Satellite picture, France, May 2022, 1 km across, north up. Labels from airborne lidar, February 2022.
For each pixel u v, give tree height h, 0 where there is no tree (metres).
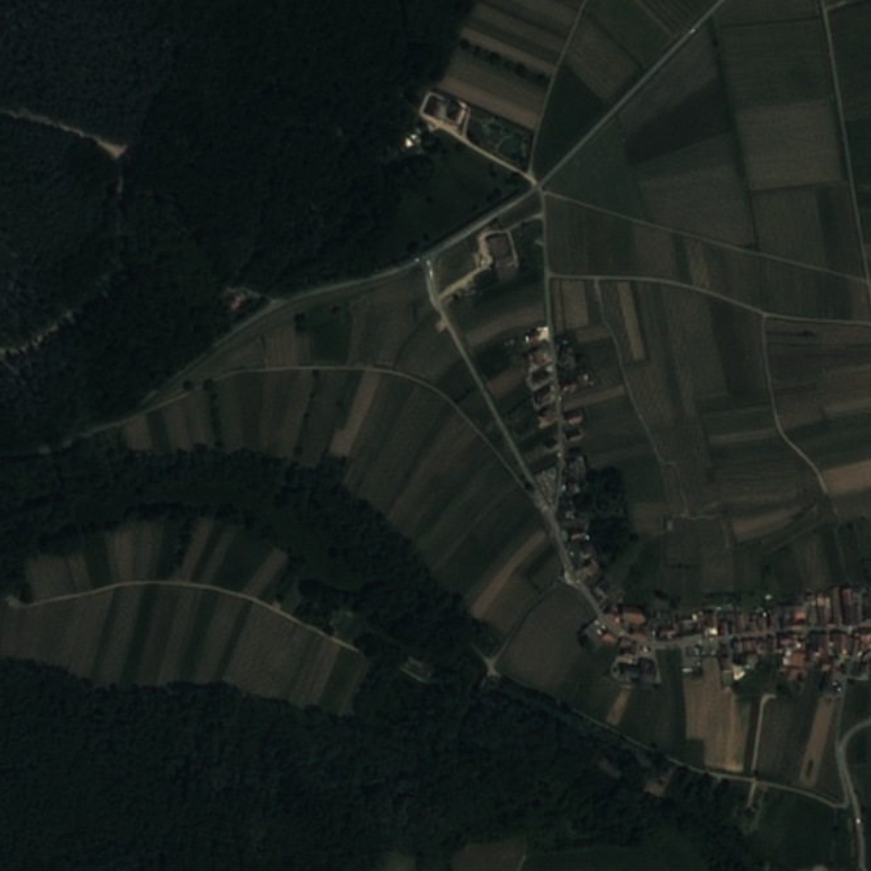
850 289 0
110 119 21
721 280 0
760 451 0
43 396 20
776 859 0
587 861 0
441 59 17
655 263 0
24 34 28
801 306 0
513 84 0
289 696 0
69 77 22
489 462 0
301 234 14
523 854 0
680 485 0
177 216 30
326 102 28
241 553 0
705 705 0
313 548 0
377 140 27
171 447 0
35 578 0
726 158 0
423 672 0
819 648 0
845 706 0
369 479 0
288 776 29
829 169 0
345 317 0
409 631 35
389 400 0
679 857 0
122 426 0
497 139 0
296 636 0
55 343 19
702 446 0
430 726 25
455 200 0
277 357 0
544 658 0
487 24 0
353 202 30
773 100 0
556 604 0
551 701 18
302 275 17
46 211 21
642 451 0
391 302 0
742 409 0
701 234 0
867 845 0
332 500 23
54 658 0
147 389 18
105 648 0
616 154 0
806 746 0
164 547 0
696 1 0
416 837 0
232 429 0
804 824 0
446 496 0
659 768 19
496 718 15
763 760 0
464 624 29
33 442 22
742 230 0
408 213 0
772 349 0
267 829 12
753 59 0
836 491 0
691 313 0
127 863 22
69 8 22
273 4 30
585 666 0
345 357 0
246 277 10
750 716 0
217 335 15
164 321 24
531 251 0
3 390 19
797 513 0
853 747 0
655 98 0
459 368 0
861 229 0
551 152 0
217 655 0
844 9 0
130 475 22
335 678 0
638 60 0
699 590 0
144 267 27
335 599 18
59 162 26
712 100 0
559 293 0
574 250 0
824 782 0
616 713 0
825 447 0
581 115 0
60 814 0
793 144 0
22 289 20
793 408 0
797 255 0
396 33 27
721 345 0
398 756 26
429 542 0
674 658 0
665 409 0
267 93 29
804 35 0
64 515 16
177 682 0
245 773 25
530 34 0
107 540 0
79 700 17
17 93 24
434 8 0
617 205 0
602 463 0
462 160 0
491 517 0
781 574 0
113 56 25
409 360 0
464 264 0
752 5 0
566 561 0
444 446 0
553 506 0
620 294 0
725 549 0
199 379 0
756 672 0
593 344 0
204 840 15
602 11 0
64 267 25
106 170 23
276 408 0
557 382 0
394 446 0
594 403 0
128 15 26
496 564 0
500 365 0
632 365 0
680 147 0
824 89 0
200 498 0
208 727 22
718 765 0
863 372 0
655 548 0
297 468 8
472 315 0
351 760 28
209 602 0
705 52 0
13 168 25
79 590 0
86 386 26
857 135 0
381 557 22
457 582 0
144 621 0
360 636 0
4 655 0
